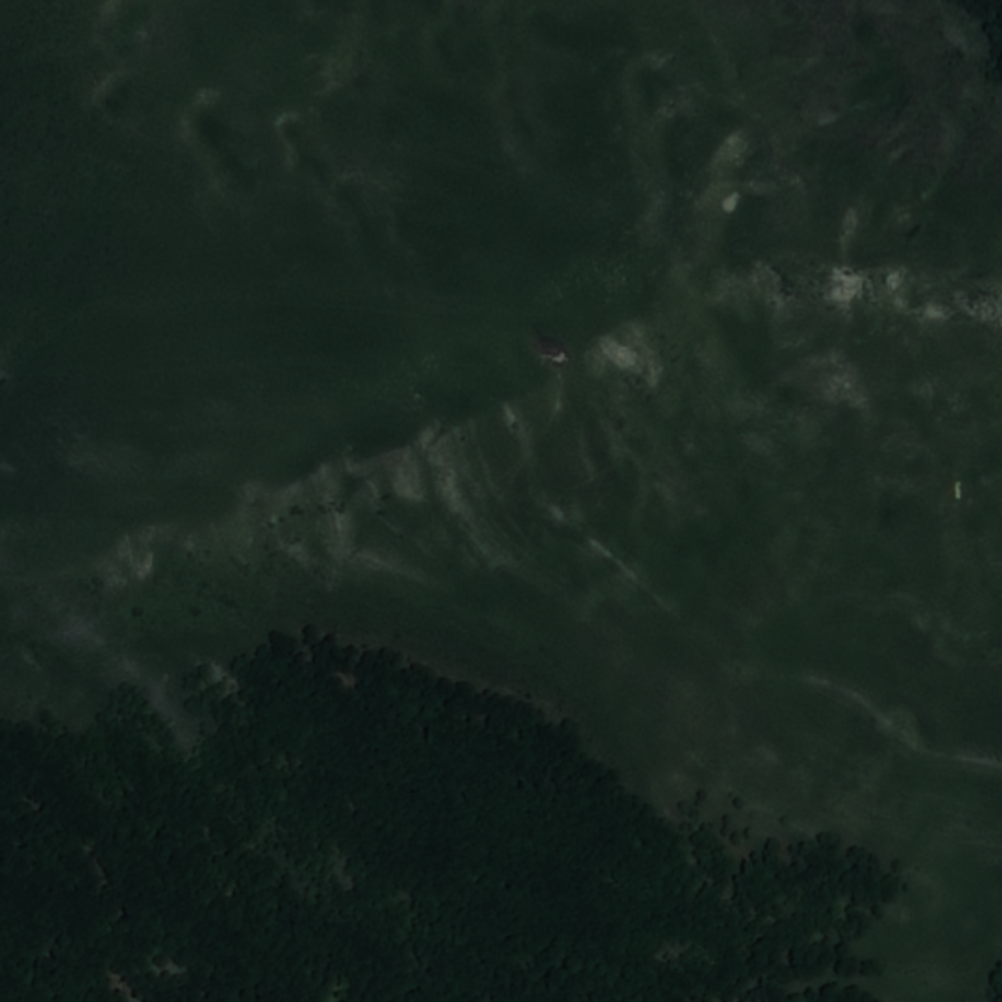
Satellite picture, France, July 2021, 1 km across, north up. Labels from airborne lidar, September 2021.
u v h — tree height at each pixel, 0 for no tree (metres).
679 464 0
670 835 18
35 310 0
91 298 0
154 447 0
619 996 20
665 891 15
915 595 0
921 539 0
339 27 0
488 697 11
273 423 0
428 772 20
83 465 0
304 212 0
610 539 0
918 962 0
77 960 20
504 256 0
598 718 0
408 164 0
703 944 10
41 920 19
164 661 0
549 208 0
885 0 0
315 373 0
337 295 0
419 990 12
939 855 0
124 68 0
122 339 0
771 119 0
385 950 20
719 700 0
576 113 0
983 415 0
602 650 0
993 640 0
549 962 17
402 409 0
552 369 0
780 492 0
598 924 14
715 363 0
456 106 0
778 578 0
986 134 0
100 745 15
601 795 19
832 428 0
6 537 0
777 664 0
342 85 0
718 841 16
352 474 0
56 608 0
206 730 9
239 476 0
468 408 0
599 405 0
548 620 0
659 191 0
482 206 0
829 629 0
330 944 18
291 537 0
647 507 0
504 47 0
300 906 21
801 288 0
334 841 14
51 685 0
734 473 0
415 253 0
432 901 17
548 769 19
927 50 0
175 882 23
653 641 0
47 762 15
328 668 12
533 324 0
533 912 20
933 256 0
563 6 0
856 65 0
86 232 0
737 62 0
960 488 0
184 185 0
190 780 12
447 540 0
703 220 0
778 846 11
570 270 0
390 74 0
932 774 0
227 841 19
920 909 0
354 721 18
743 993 18
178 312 0
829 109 0
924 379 0
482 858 17
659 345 0
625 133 0
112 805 8
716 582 0
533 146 0
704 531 0
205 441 0
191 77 0
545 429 0
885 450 0
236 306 0
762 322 0
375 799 15
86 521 0
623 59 0
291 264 0
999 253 0
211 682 8
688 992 19
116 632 0
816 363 0
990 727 0
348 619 0
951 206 0
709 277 0
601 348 0
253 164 0
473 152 0
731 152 0
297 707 16
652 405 0
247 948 21
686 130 0
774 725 0
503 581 0
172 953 20
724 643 0
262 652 12
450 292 0
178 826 18
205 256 0
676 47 0
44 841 17
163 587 0
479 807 17
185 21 0
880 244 0
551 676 0
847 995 16
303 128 0
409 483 0
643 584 0
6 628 0
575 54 0
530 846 17
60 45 0
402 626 0
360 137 0
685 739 0
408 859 19
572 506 0
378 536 0
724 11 0
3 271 0
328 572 0
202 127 0
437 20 0
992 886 0
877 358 0
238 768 16
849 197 0
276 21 0
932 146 0
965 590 0
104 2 0
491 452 0
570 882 15
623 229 0
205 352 0
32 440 0
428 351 0
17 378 0
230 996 26
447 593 0
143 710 12
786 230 0
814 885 14
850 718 0
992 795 0
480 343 0
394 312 0
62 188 0
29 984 18
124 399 0
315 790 17
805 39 0
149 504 0
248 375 0
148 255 0
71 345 0
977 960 0
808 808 0
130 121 0
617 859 17
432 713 21
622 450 0
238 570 0
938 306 0
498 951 15
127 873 20
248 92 0
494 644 0
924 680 0
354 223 0
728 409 0
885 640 0
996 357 0
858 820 0
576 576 0
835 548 0
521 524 0
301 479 0
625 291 0
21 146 0
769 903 13
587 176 0
